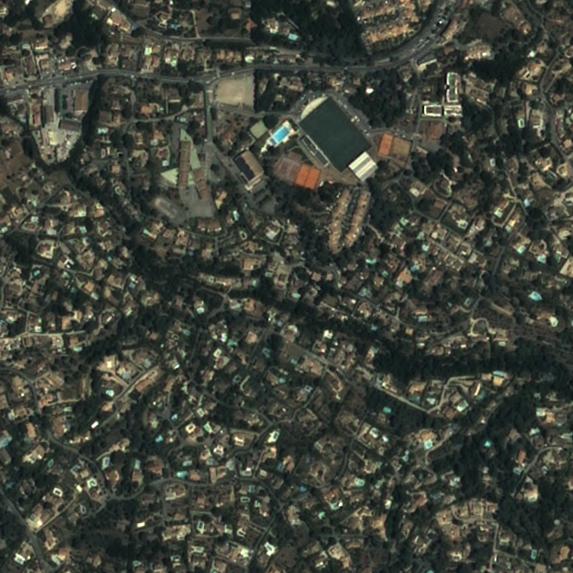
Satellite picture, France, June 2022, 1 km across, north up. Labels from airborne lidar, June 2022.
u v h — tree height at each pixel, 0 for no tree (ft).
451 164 49
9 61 39
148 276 41
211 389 27
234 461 0
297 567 34
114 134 43
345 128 0
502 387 23
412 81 39
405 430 67
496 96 37
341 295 24
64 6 0
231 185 34
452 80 0
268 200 26
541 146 31
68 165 46
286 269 0
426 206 47
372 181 83
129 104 43
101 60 46
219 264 63
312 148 0
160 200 0
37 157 22
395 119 54
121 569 24
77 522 24
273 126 42
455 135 38
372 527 19
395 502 20
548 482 26
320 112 0
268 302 27
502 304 23
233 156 36
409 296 17
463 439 70
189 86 23
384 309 21
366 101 39
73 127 0
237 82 0
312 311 42
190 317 35
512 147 28
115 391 0
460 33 20
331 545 37
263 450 45
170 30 26
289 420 0
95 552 18
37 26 40
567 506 53
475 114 62
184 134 0
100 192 37
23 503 75
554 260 70
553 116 79
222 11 27
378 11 0
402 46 31
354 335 45
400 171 31
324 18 34
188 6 25
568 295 37
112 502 31
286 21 39
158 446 48
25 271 29
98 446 34
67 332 21
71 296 26
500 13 23
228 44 25
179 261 36
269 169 75
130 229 48
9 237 24
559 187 68
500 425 51
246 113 0
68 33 46
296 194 64
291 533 30
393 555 73
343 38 78
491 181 34
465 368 48
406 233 32
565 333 41
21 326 53
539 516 23
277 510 27
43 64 0
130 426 34
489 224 35
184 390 22
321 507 38
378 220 76
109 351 24
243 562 0
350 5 27
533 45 24
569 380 35
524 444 55
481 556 78
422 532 0
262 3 55
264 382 28
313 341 22
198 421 18
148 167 52
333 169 0
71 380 57
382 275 31
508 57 84
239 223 28
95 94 44
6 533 57
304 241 59
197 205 0
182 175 0
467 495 63
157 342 27
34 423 40
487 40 35
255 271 31
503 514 63
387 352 23
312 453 19
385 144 0
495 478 63
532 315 33
